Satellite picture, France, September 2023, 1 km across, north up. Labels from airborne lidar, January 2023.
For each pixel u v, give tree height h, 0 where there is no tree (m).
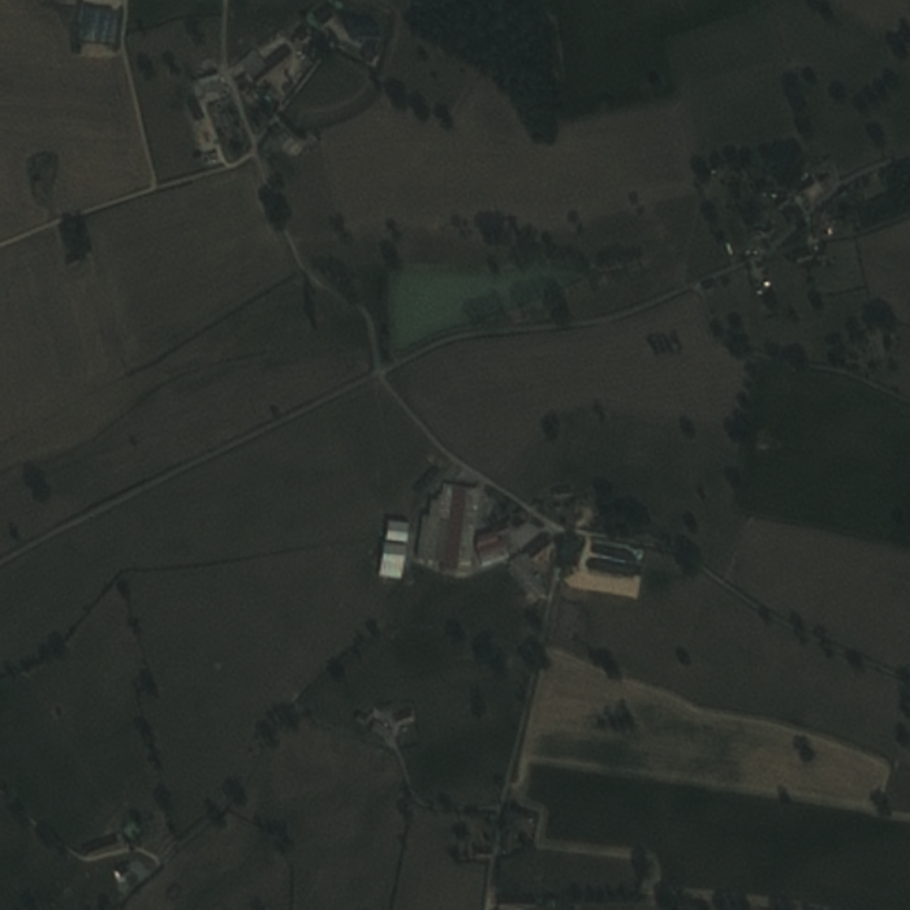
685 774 0
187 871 0
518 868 0
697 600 0
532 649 16
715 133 0
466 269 0
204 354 0
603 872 0
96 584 0
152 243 0
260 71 0
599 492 16
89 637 0
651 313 0
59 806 0
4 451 0
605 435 0
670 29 0
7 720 0
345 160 0
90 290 0
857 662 18
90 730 0
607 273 25
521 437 0
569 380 0
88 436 0
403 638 0
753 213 15
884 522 0
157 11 0
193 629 0
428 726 0
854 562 0
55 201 0
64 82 0
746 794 0
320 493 0
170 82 0
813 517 0
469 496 0
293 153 0
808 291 0
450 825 0
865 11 0
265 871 0
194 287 0
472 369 0
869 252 0
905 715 13
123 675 0
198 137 0
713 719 0
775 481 0
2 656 0
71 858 0
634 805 0
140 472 0
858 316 0
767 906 0
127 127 0
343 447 0
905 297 0
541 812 0
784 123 0
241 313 0
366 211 0
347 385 0
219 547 0
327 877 0
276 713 14
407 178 0
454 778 0
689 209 0
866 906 0
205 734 0
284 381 0
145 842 0
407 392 0
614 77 0
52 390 0
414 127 0
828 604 0
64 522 0
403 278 0
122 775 0
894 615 0
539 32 18
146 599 0
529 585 0
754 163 6
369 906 0
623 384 0
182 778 0
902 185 6
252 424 0
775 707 0
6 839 0
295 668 0
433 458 0
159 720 0
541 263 26
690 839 0
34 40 0
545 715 0
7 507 0
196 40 16
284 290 0
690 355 0
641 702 0
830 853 0
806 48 0
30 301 0
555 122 10
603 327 0
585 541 0
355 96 0
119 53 0
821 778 0
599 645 0
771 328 0
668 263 0
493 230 22
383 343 0
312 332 0
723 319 0
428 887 0
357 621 0
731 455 0
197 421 0
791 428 0
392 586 0
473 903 0
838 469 0
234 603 0
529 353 0
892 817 0
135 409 0
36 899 16
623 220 0
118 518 0
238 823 0
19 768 0
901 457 0
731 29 0
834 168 0
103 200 0
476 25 22
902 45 16
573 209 0
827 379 0
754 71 0
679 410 0
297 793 0
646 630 0
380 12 0
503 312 27
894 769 0
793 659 0
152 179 0
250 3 0
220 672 0
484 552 0
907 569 0
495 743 0
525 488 0
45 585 0
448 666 0
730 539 0
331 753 0
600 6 0
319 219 0
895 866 0
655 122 0
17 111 0
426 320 0
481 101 0
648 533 0
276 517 0
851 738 0
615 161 0
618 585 0
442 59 0
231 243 0
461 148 0
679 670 0
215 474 0
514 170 0
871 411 0
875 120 0
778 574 0
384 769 0
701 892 0
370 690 0
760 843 0
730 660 0
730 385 0
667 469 0
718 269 0
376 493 0
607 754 0
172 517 0
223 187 0
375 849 0
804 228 10
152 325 0
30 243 0
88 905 0
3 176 0
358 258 0
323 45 16
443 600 0
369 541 0
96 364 0
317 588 0
